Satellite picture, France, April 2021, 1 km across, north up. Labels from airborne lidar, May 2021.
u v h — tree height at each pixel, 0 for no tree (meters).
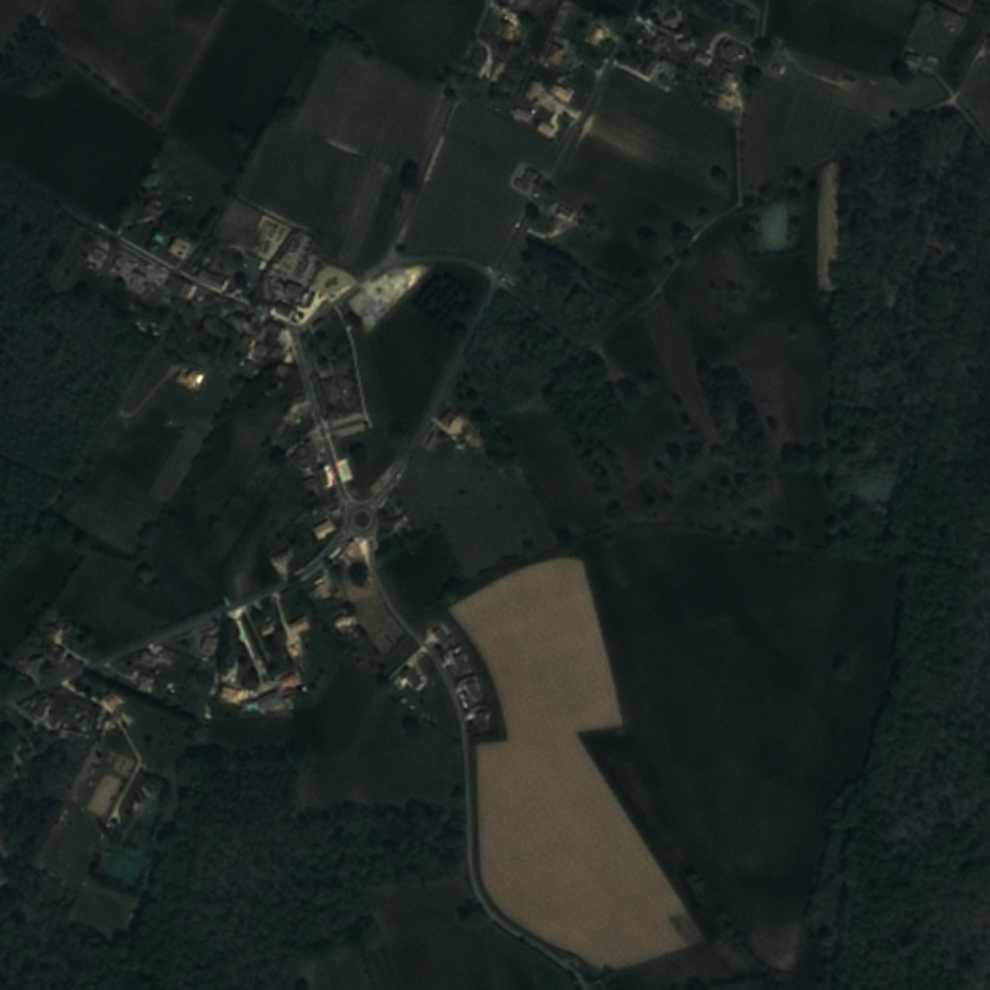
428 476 0
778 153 0
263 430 0
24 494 16
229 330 13
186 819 19
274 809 22
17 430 12
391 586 0
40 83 15
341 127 0
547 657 0
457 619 0
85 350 13
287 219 0
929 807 11
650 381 19
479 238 0
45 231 11
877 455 7
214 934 18
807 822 0
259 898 16
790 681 0
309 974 0
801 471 12
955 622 17
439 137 0
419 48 0
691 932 0
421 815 20
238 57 0
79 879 0
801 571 0
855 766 0
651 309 0
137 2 0
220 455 0
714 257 0
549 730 0
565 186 0
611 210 0
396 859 18
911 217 19
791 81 0
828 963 7
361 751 0
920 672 17
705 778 0
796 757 0
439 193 0
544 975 0
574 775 0
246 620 6
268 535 0
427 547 0
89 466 13
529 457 0
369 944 22
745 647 0
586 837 0
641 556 0
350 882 21
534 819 0
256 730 0
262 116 0
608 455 15
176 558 0
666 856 0
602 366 22
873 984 15
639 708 0
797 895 0
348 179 0
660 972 0
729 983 8
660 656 0
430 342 0
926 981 14
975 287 19
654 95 0
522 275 6
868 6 0
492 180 0
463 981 0
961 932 9
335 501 15
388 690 14
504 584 0
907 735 17
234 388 12
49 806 20
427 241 0
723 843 0
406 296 0
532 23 15
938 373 21
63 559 0
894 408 12
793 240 9
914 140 17
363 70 0
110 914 0
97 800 0
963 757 16
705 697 0
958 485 20
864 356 9
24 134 0
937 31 0
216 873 18
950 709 8
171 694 6
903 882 16
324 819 18
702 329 0
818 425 0
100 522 0
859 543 21
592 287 11
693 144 0
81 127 0
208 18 0
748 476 15
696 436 16
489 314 7
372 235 0
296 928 16
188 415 0
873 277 14
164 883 21
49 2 0
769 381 0
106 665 0
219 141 0
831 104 0
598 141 0
